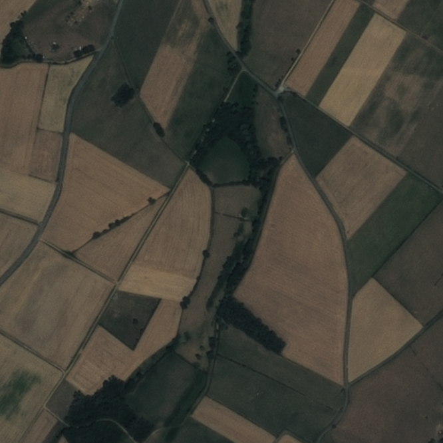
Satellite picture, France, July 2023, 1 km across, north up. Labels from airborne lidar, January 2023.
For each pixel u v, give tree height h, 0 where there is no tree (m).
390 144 0
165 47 0
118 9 0
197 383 0
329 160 0
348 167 0
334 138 0
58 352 0
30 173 0
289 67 0
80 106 0
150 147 0
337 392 0
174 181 0
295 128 0
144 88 0
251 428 0
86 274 0
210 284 0
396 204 0
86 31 0
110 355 0
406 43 0
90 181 0
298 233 0
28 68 0
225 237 0
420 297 0
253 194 0
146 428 7
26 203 0
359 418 0
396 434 0
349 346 0
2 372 0
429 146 0
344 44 0
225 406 0
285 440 0
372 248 0
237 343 0
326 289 0
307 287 0
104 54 0
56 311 0
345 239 0
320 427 0
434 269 0
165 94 0
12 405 0
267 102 0
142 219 0
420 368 0
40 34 0
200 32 0
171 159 0
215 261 0
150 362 0
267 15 0
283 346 11
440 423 0
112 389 15
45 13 0
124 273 0
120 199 0
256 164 18
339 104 0
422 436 0
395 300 0
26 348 0
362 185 0
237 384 0
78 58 8
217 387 0
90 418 9
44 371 0
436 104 0
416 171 0
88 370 0
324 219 0
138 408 0
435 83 0
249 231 0
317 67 0
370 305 0
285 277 0
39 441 0
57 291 0
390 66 0
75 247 0
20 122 0
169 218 0
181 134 0
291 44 0
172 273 0
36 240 0
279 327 0
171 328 0
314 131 0
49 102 0
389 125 0
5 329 0
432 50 0
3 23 0
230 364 0
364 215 0
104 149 0
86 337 0
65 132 0
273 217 0
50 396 0
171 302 0
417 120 0
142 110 0
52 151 0
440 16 0
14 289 0
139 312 0
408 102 0
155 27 0
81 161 0
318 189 0
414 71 0
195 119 0
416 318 0
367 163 0
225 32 0
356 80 0
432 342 0
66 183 0
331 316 0
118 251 0
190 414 0
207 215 0
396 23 0
